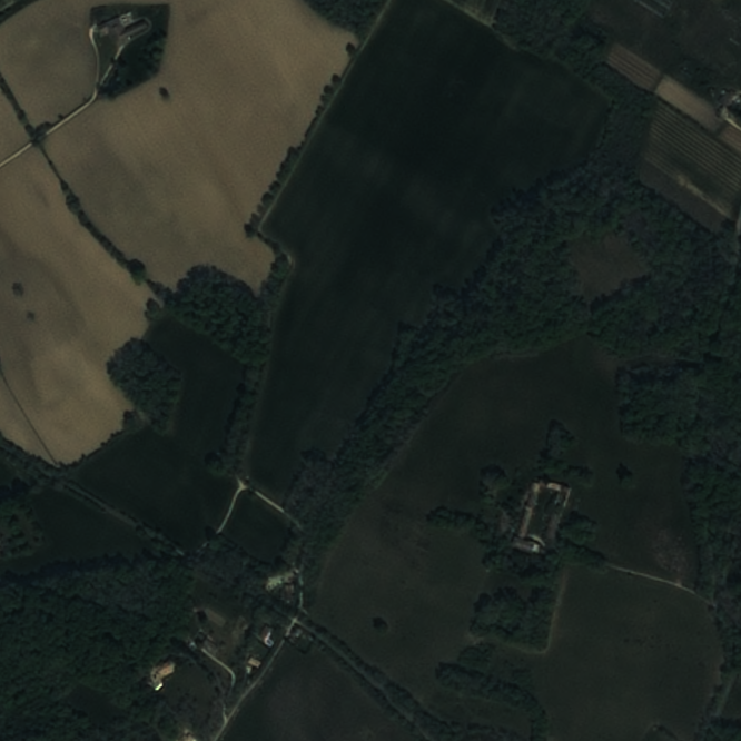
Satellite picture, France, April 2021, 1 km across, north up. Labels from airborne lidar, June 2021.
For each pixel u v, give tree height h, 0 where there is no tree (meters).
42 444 0
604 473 0
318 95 0
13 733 9
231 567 22
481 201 0
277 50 0
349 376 0
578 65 11
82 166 0
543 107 0
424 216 0
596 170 8
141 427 13
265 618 11
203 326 29
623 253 0
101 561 0
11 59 0
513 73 0
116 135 0
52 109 0
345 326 0
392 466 15
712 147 0
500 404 0
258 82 0
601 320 15
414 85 0
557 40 12
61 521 0
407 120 0
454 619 0
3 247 0
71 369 0
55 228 0
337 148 0
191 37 0
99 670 23
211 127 0
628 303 25
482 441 0
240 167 0
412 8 0
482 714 0
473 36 0
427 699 0
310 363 0
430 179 0
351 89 0
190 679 0
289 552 15
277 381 0
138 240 0
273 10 0
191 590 17
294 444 0
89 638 27
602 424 0
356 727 0
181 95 0
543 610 22
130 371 21
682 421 22
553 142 0
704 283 26
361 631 0
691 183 0
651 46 0
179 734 17
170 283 0
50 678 14
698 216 0
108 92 18
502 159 0
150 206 0
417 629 0
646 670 0
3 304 0
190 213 0
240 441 13
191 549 0
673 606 0
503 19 12
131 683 21
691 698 0
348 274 0
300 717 0
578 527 17
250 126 0
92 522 0
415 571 0
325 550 16
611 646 0
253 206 0
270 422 0
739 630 17
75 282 0
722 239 14
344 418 0
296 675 0
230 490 0
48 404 0
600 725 0
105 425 0
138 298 0
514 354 13
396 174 0
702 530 16
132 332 0
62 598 27
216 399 0
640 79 0
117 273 0
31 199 0
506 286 20
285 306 0
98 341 0
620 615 0
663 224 19
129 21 0
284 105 0
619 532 0
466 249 0
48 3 0
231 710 14
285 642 6
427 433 0
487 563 12
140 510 0
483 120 0
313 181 0
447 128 0
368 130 0
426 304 0
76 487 5
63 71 0
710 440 20
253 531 0
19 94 0
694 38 0
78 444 0
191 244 0
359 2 18
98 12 0
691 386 25
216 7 0
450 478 0
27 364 0
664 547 0
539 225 17
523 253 15
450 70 0
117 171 0
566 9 24
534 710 16
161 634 15
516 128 0
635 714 0
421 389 19
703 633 0
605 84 13
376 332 0
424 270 0
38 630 23
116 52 0
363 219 0
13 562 0
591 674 0
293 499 14
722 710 11
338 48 0
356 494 18
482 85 0
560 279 17
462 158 0
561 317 19
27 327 0
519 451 0
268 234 0
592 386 0
